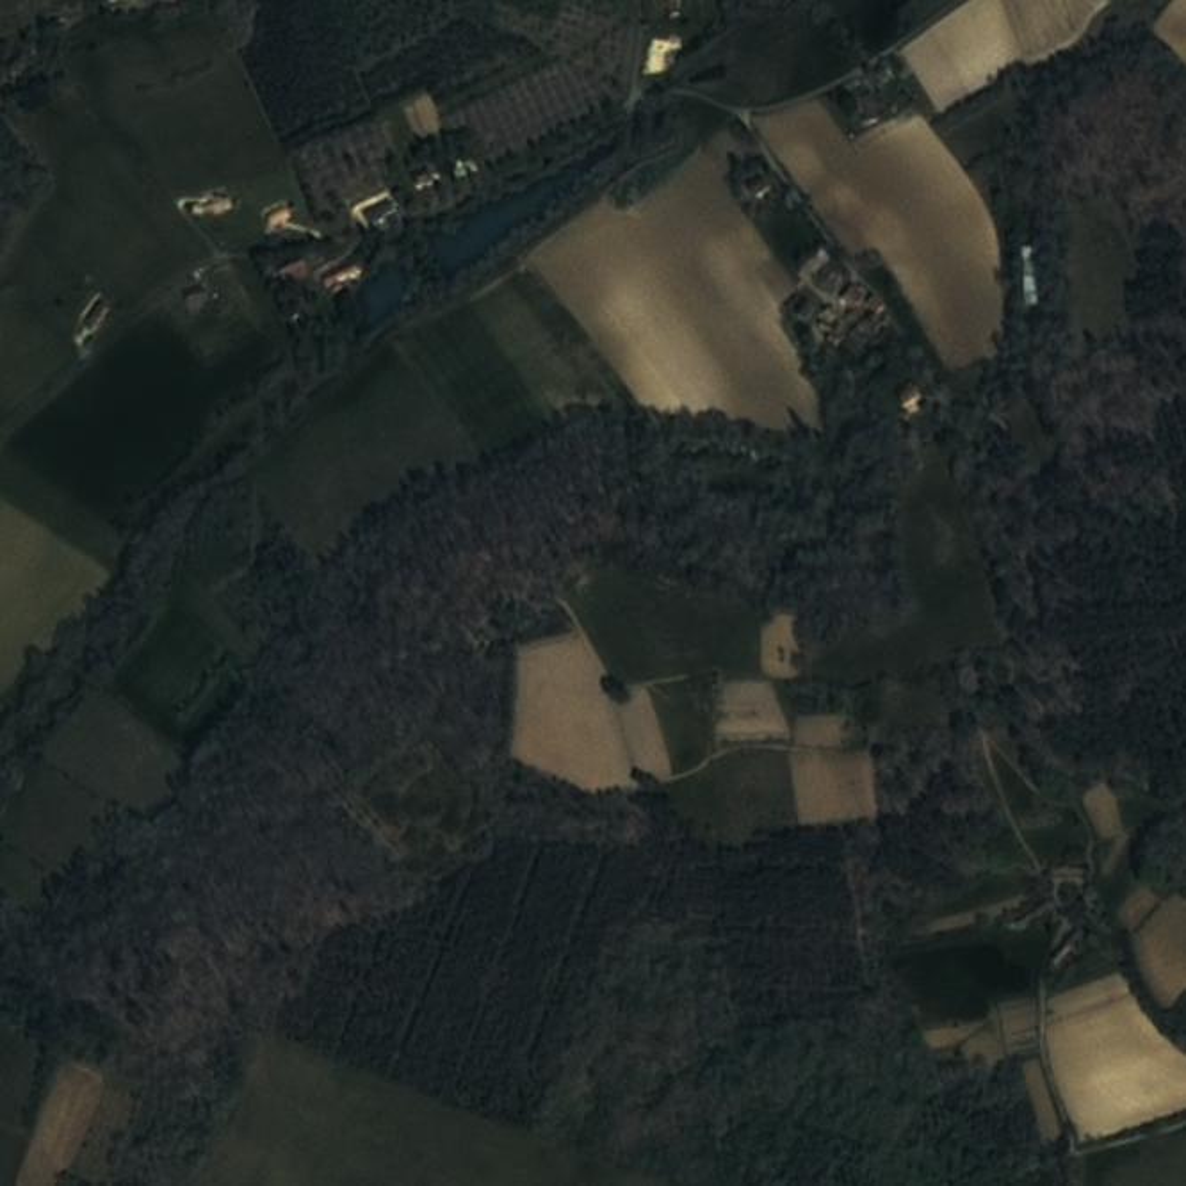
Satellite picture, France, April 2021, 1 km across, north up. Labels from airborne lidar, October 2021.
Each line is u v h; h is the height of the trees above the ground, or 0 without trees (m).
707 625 0
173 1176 25
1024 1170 15
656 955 8
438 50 12
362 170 8
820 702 11
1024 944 0
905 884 21
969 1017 0
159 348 0
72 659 21
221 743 20
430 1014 10
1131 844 0
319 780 21
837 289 0
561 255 0
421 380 0
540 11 8
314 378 17
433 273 8
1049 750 25
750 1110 16
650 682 0
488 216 0
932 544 0
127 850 16
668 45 0
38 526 0
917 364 16
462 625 15
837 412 16
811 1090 10
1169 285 15
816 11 23
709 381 0
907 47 0
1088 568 24
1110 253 0
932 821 25
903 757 14
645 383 0
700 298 0
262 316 0
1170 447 11
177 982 16
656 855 12
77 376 0
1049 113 21
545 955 12
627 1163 11
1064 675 10
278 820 23
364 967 9
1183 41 0
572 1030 14
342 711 17
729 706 0
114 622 18
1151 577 24
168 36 0
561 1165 0
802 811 0
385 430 0
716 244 0
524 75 7
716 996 19
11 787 20
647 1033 17
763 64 0
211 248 0
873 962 13
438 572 10
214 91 0
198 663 0
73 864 0
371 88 12
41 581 0
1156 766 24
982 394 7
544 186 0
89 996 9
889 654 0
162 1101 13
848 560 25
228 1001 21
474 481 16
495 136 9
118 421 0
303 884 13
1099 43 7
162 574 22
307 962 14
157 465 0
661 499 18
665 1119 20
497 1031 11
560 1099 19
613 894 11
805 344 16
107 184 0
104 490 0
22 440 0
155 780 0
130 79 0
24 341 0
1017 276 7
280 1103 0
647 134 18
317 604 16
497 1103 9
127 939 14
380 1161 0
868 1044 23
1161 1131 13
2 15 0
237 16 21
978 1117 14
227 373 0
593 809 15
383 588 17
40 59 9
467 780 10
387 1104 0
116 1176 14
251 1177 0
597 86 12
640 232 0
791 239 0
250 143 0
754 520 8
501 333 0
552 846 11
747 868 6
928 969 0
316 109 14
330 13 15
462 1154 0
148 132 0
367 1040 9
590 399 0
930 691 0
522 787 17
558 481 15
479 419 0
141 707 0
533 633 10
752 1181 10
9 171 10
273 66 13
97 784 0
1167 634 25
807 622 12
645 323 0
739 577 20
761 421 0
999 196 12
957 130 0
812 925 10
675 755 0
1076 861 17
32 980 16
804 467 18
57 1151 0
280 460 0
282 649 12
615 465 19
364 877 16
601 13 8
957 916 0
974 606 0
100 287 0
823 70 0
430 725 13
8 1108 0
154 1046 10
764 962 12
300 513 0
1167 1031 6
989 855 24
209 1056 12
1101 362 17
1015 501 7
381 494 0
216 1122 24
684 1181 12
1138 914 0
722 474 8
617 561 8
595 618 0
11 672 0
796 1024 14
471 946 11
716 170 0
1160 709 24
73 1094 0
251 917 12
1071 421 17
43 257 0
